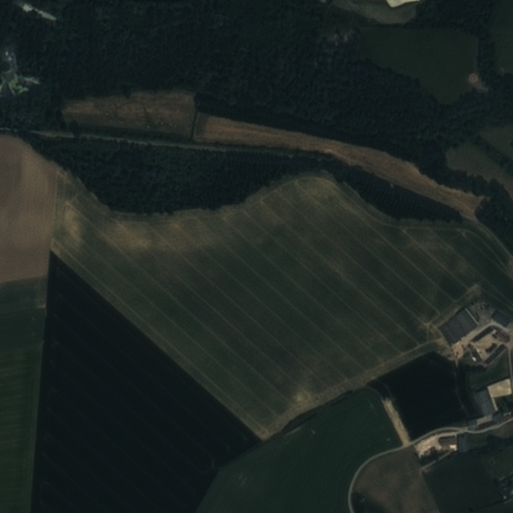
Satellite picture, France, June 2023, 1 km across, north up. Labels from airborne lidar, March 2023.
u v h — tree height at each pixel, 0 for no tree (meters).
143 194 15
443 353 0
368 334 0
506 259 0
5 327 0
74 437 0
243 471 0
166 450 0
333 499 0
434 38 0
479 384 0
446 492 0
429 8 6
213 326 0
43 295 0
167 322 0
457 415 0
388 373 0
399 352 0
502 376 0
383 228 0
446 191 0
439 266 0
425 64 0
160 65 32
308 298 0
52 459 0
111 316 0
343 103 20
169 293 0
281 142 0
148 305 0
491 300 0
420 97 26
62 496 0
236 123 0
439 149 28
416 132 24
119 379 0
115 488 0
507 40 0
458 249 0
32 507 0
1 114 22
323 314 0
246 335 0
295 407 0
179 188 8
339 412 0
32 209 0
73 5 14
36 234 0
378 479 0
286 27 21
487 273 0
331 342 0
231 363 0
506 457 0
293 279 0
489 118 17
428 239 0
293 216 0
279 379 0
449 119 10
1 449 0
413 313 0
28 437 0
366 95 29
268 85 8
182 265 0
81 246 0
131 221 0
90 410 0
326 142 0
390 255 0
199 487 0
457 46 0
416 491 0
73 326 0
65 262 0
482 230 0
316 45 11
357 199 0
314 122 24
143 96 0
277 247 0
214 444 0
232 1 21
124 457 0
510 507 0
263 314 0
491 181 0
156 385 0
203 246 0
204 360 0
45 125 11
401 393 0
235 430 0
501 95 30
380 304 0
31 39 24
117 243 0
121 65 29
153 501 0
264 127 0
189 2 12
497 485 16
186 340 0
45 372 0
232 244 0
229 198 17
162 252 0
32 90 16
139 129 0
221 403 0
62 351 0
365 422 0
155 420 0
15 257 0
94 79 33
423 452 0
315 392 0
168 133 0
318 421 0
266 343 0
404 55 0
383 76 23
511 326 0
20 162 0
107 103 0
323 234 0
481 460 0
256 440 0
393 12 0
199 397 0
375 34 0
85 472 0
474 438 0
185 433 0
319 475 0
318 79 12
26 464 0
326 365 0
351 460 0
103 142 15
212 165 5
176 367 0
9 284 0
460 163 0
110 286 0
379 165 0
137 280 0
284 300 0
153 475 0
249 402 0
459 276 0
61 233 0
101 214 0
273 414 0
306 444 0
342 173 24
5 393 0
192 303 0
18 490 0
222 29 17
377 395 0
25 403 0
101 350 0
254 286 0
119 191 17
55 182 0
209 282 0
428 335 0
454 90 0
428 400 0
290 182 0
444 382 0
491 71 19
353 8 0
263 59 21
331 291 0
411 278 0
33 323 0
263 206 0
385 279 0
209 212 0
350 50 26
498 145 0
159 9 30
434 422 0
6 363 0
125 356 0
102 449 0
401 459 0
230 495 0
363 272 0
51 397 0
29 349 0
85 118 0
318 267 0
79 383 0
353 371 0
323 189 0
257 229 0
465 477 0
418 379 0
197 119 0
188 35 31
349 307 0
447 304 0
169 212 14
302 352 0
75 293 0
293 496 0
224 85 8
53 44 24
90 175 19
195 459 0
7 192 0
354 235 0
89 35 20
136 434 0
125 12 11
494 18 23
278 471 0
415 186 0
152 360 0
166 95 0
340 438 0
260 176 18
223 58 14
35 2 15
